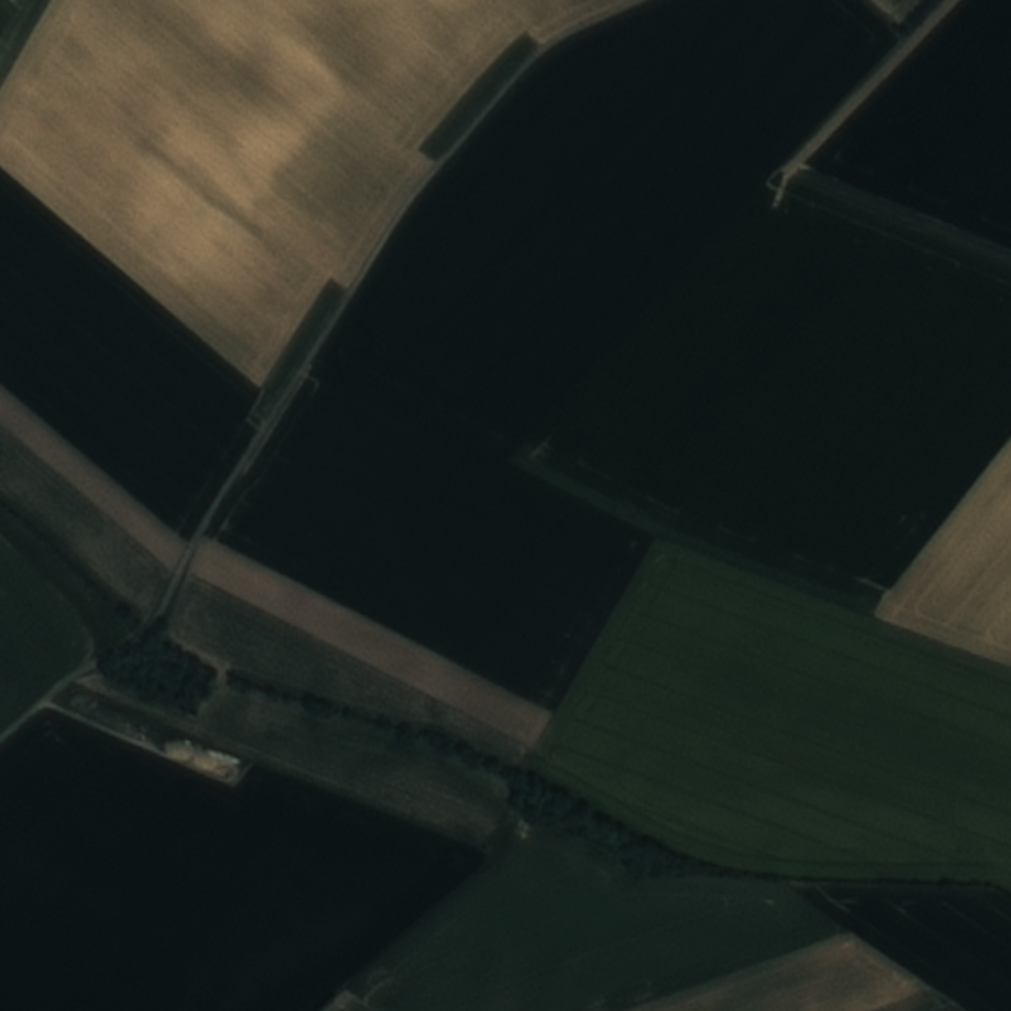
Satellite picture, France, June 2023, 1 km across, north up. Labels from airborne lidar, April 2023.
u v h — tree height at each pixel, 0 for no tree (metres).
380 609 0
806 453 0
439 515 0
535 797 18
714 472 0
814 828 0
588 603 0
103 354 0
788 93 0
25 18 0
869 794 0
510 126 0
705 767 0
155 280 0
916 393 0
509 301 0
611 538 0
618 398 0
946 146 0
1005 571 0
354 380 0
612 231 0
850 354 0
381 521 0
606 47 0
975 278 0
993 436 0
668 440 0
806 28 0
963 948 0
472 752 11
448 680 0
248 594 0
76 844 0
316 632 0
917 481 0
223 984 0
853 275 0
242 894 0
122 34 0
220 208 0
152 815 0
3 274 0
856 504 0
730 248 0
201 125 0
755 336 0
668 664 0
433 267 0
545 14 0
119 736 0
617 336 0
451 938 0
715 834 0
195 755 0
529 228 0
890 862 0
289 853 0
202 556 0
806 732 0
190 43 0
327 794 0
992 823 0
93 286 0
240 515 0
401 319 0
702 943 0
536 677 0
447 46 0
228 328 0
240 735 0
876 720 0
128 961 0
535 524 0
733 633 0
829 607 0
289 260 0
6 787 0
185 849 0
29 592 0
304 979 0
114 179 0
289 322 0
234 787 0
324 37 0
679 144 0
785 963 0
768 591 0
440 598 0
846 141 0
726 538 0
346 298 0
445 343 0
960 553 0
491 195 0
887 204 0
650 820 0
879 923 0
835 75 0
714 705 0
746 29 0
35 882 0
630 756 0
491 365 0
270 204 0
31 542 0
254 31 0
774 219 0
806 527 0
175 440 0
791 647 0
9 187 0
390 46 0
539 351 0
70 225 0
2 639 0
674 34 0
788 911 0
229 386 0
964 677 0
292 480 0
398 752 0
